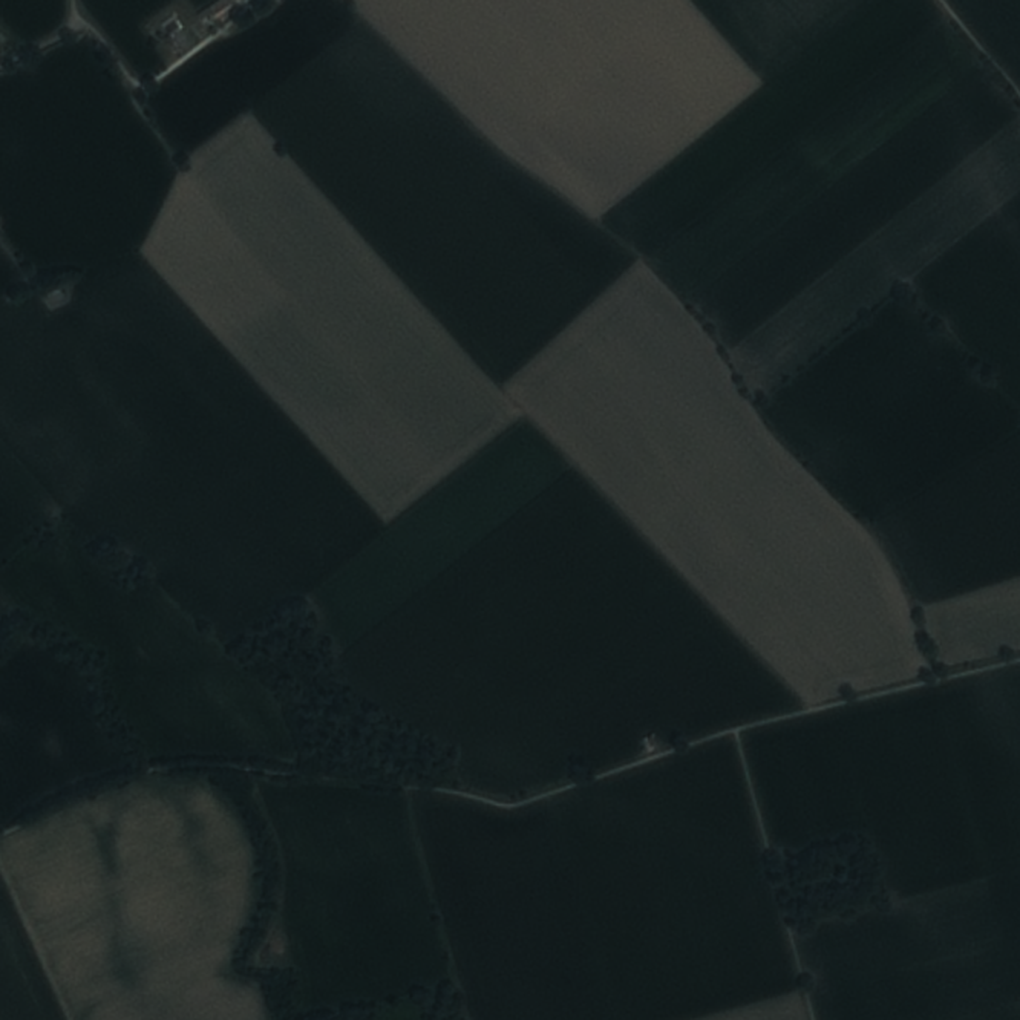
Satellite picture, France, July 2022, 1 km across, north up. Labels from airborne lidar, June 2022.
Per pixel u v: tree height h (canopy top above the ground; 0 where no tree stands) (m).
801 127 0
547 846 0
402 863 0
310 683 9
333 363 0
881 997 0
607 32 0
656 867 0
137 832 0
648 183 0
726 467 0
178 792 0
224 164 0
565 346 0
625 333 0
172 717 0
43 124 0
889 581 0
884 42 0
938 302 0
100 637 0
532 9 0
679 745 20
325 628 0
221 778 13
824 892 16
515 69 0
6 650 15
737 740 0
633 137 0
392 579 0
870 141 0
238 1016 0
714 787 0
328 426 0
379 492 0
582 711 0
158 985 0
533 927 0
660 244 0
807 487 0
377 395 0
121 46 0
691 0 0
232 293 0
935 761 0
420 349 0
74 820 0
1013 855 0
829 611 0
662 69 0
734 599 0
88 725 0
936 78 0
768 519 0
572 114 0
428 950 0
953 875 0
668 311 0
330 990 0
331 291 0
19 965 0
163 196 0
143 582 27
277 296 0
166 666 0
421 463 0
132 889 0
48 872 0
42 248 0
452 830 0
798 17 0
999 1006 0
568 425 0
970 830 0
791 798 0
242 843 0
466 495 0
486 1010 0
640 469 0
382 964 0
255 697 0
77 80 0
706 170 0
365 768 15
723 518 0
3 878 0
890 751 0
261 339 0
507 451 0
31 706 0
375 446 0
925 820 0
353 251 0
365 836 0
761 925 0
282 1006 13
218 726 0
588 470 0
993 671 0
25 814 13
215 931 0
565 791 0
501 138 0
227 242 0
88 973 0
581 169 0
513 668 0
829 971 0
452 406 0
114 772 11
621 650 0
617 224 0
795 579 0
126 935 0
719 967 0
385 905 0
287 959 0
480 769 0
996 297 0
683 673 0
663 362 0
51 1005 0
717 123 0
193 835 0
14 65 19
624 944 0
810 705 0
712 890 0
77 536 9
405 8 0
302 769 15
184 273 0
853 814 0
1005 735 0
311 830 0
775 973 0
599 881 0
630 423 0
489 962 0
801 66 0
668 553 0
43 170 0
